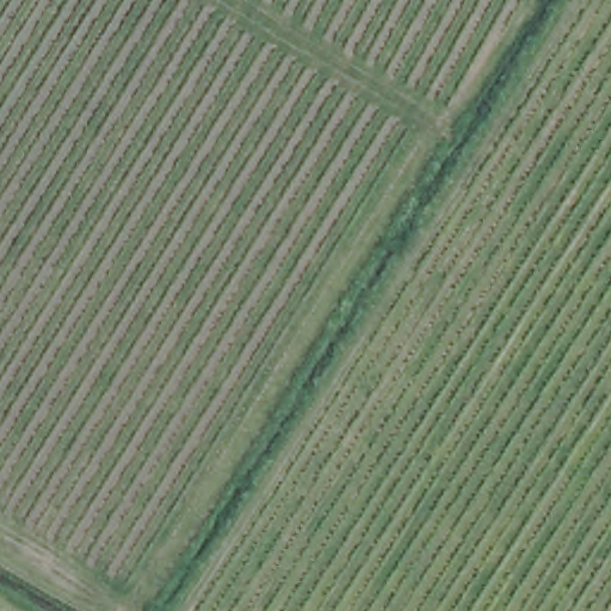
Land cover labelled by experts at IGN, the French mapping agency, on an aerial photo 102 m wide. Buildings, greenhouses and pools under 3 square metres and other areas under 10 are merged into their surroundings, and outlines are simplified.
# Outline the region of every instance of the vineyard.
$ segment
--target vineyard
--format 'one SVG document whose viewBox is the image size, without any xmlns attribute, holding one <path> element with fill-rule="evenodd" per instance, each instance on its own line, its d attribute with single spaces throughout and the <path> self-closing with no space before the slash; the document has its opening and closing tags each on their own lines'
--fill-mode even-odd
<svg viewBox="0 0 611 611">
<path fill-rule="evenodd" d="M 344 55 L 351 57 L 348 76 L 358 79 L 368 60 L 377 62 L 394 79 L 399 76 L 406 84 L 413 84 L 418 93 L 432 93 L 437 112 L 442 112 L 449 103 L 461 110 L 475 95 L 482 76 L 494 64 L 494 53 L 499 50 L 506 36 L 506 21 L 511 19 L 520 0 L 272 0 L 274 10 L 286 10 L 294 14 L 291 26 L 306 26 L 308 31 L 313 31 L 313 38 L 327 38 L 334 45 L 344 45 Z"/>
<path fill-rule="evenodd" d="M 315 286 L 315 282 L 322 277 L 322 267 L 329 263 L 332 253 L 348 251 L 351 239 L 358 234 L 368 215 L 379 203 L 382 189 L 389 181 L 389 172 L 406 158 L 418 136 L 415 119 L 389 119 L 384 112 L 375 110 L 365 100 L 348 95 L 346 86 L 339 86 L 339 81 L 332 79 L 329 69 L 320 69 L 313 76 L 308 72 L 308 57 L 289 60 L 289 48 L 267 45 L 270 38 L 265 31 L 255 33 L 253 38 L 241 36 L 236 31 L 236 24 L 227 19 L 224 10 L 198 7 L 191 0 L 0 0 L 0 506 L 5 506 L 12 513 L 14 537 L 21 544 L 33 542 L 53 556 L 60 549 L 69 547 L 72 554 L 88 558 L 93 568 L 98 558 L 107 561 L 110 575 L 117 575 L 131 556 L 131 551 L 136 549 L 136 542 L 143 537 L 143 530 L 158 516 L 169 489 L 177 485 L 184 465 L 203 444 L 208 430 L 222 413 L 222 408 L 227 413 L 234 413 L 239 408 L 241 399 L 258 377 L 258 370 L 267 363 L 274 344 L 279 344 L 284 329 L 291 327 L 296 313 L 286 301 L 291 298 L 291 294 L 303 301 Z"/>
<path fill-rule="evenodd" d="M 611 611 L 611 0 L 568 0 L 563 5 L 558 24 L 542 43 L 542 50 L 530 62 L 520 86 L 511 93 L 501 115 L 492 122 L 485 141 L 477 146 L 475 155 L 456 179 L 453 189 L 439 203 L 430 224 L 425 229 L 418 229 L 415 239 L 411 241 L 411 248 L 401 258 L 401 265 L 389 289 L 372 308 L 372 315 L 365 320 L 363 329 L 356 332 L 346 353 L 334 360 L 329 384 L 317 391 L 313 406 L 296 422 L 294 432 L 277 453 L 270 473 L 265 475 L 265 482 L 255 492 L 243 494 L 239 516 L 229 523 L 227 535 L 215 544 L 212 554 L 200 566 L 198 582 L 189 585 L 189 590 L 181 594 L 179 611 Z"/>
</svg>

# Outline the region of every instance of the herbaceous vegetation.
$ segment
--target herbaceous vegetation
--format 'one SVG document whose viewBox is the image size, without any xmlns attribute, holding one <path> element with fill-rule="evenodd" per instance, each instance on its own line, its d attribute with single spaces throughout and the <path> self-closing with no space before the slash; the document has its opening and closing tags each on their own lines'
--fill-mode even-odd
<svg viewBox="0 0 611 611">
<path fill-rule="evenodd" d="M 329 263 L 322 267 L 322 277 L 315 282 L 315 286 L 303 301 L 291 294 L 291 298 L 286 301 L 296 313 L 291 327 L 284 329 L 279 344 L 274 344 L 267 363 L 258 370 L 258 377 L 241 399 L 239 408 L 234 413 L 227 413 L 222 408 L 222 413 L 208 430 L 203 444 L 184 465 L 177 485 L 169 489 L 158 516 L 143 530 L 143 537 L 136 542 L 136 549 L 131 551 L 131 556 L 117 575 L 110 575 L 107 561 L 98 558 L 93 568 L 88 558 L 72 554 L 69 547 L 60 549 L 53 556 L 33 542 L 21 544 L 14 537 L 12 513 L 5 506 L 0 506 L 0 611 L 43 611 L 26 601 L 26 597 L 33 590 L 41 590 L 43 594 L 53 597 L 50 601 L 57 606 L 57 611 L 179 611 L 181 594 L 189 590 L 189 585 L 198 582 L 200 566 L 212 554 L 215 544 L 227 535 L 229 523 L 239 516 L 243 494 L 255 492 L 265 482 L 265 475 L 270 473 L 277 453 L 294 432 L 296 422 L 313 406 L 317 391 L 329 384 L 334 360 L 346 353 L 356 332 L 363 329 L 365 320 L 372 315 L 372 308 L 389 289 L 401 265 L 401 258 L 411 248 L 411 241 L 415 239 L 418 229 L 425 229 L 430 224 L 439 203 L 453 189 L 456 179 L 475 155 L 477 146 L 485 141 L 492 122 L 501 115 L 511 93 L 520 86 L 530 62 L 542 50 L 542 43 L 558 24 L 563 5 L 568 0 L 520 0 L 511 19 L 506 21 L 506 36 L 499 50 L 494 53 L 494 64 L 482 76 L 475 95 L 461 110 L 449 103 L 442 112 L 437 112 L 432 93 L 418 93 L 413 84 L 406 84 L 399 76 L 394 79 L 377 62 L 368 60 L 358 79 L 348 76 L 351 57 L 344 55 L 344 45 L 334 45 L 327 38 L 313 38 L 313 31 L 308 31 L 306 26 L 291 26 L 294 14 L 286 10 L 274 10 L 272 0 L 191 0 L 198 7 L 224 10 L 227 19 L 236 24 L 236 31 L 241 36 L 253 38 L 255 33 L 265 31 L 270 38 L 267 45 L 289 48 L 289 60 L 308 57 L 308 72 L 313 76 L 320 69 L 329 69 L 332 79 L 339 81 L 339 86 L 346 86 L 348 95 L 365 100 L 375 110 L 384 112 L 389 119 L 415 119 L 418 136 L 406 158 L 389 172 L 389 181 L 382 189 L 379 203 L 368 215 L 358 234 L 351 239 L 348 251 L 332 253 Z"/>
</svg>

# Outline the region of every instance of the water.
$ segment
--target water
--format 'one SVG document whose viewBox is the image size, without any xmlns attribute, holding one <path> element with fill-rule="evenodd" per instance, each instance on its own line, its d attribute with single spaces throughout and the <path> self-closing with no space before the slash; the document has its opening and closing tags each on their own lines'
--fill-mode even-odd
<svg viewBox="0 0 611 611">
<path fill-rule="evenodd" d="M 41 590 L 33 590 L 26 597 L 26 601 L 43 611 L 57 611 L 57 606 L 50 601 L 53 597 L 43 594 Z"/>
</svg>

